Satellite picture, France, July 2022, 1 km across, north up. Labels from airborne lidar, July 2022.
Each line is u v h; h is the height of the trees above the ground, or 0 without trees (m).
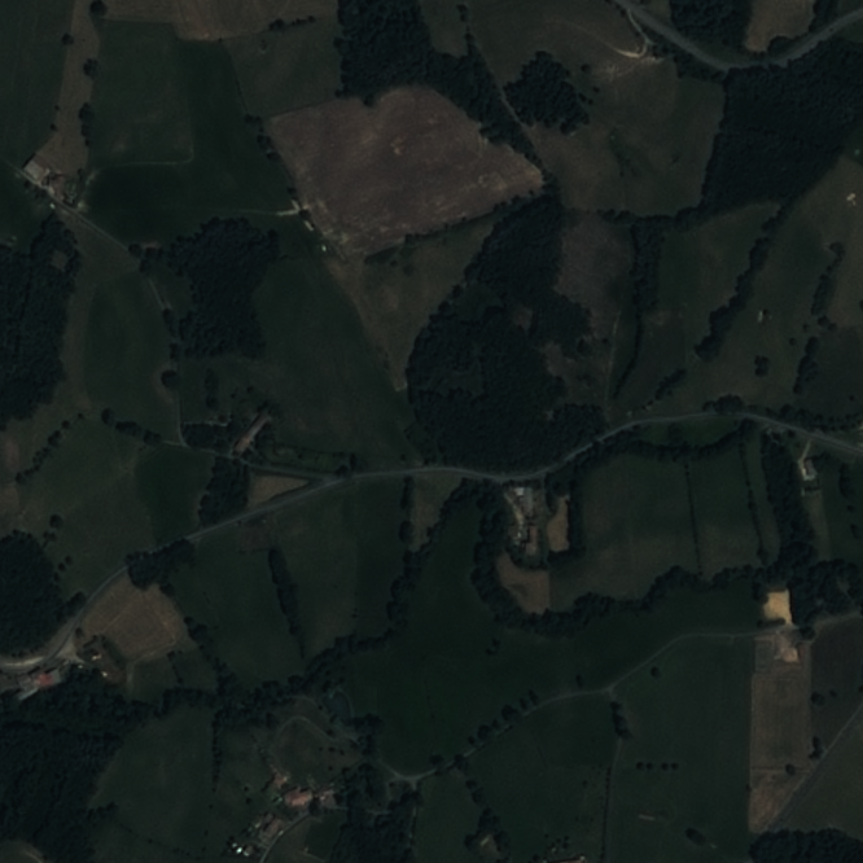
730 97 11
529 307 17
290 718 0
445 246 0
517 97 15
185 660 0
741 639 0
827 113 21
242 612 0
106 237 0
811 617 29
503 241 19
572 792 0
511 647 0
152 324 0
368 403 0
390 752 0
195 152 0
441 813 0
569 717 0
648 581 0
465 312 0
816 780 0
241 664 0
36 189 9
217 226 20
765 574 14
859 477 0
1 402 10
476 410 16
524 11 0
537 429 13
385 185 0
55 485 0
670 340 0
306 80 0
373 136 0
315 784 0
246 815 0
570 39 0
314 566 0
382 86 15
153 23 0
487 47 0
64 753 15
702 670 0
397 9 8
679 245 0
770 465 7
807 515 11
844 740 0
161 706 17
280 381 0
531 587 0
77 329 0
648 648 0
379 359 0
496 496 19
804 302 0
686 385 17
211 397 6
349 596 0
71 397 0
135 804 0
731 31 16
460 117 0
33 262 15
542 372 14
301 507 0
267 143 9
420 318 0
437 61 18
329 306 0
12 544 14
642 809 0
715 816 0
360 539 0
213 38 0
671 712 0
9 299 13
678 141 0
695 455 18
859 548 0
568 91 20
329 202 0
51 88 0
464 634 0
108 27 0
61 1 0
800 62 11
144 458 0
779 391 0
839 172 0
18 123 0
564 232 20
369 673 0
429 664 0
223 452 15
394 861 14
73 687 20
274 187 0
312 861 0
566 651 0
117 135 0
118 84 0
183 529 0
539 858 11
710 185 18
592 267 0
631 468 0
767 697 0
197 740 0
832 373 0
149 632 0
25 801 18
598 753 0
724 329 19
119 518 0
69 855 14
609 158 0
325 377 0
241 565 0
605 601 12
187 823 0
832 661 0
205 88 0
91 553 0
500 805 0
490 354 14
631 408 0
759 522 8
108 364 0
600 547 0
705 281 0
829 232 0
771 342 0
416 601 0
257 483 0
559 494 21
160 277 0
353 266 0
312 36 0
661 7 0
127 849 0
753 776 0
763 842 16
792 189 16
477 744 14
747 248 0
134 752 0
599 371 0
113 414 15
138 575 17
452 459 15
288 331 0
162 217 0
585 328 16
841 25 0
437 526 7
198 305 12
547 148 0
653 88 0
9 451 0
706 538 0
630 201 0
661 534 0
